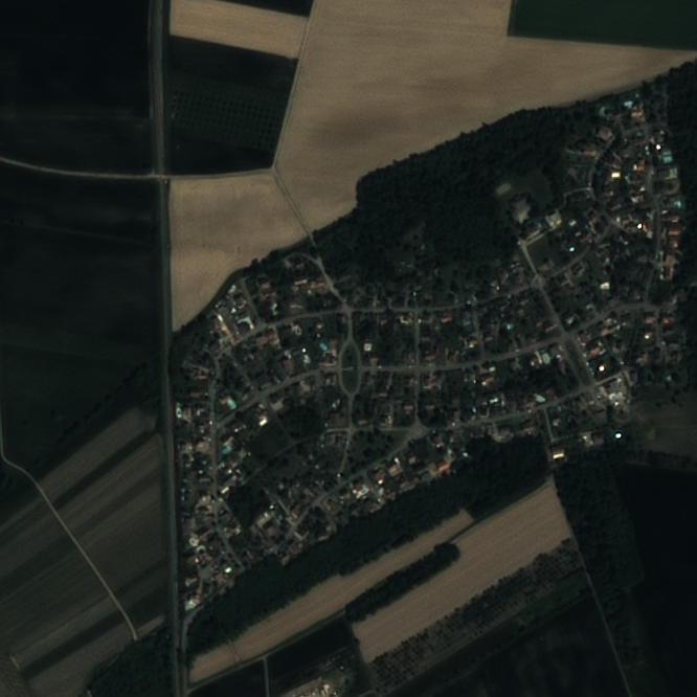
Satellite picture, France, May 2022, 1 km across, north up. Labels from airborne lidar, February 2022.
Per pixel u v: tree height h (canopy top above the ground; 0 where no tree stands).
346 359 0
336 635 0
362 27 0
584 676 0
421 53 0
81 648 0
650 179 0
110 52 0
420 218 13
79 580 0
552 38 0
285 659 0
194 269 0
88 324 0
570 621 0
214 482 0
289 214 0
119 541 0
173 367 13
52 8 0
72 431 8
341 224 11
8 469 0
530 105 0
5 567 0
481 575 0
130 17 0
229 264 0
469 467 16
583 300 0
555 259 0
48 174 0
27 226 0
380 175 14
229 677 0
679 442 0
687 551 0
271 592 0
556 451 0
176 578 0
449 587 0
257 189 0
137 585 0
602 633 0
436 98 0
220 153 0
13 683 0
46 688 0
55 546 0
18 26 0
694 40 0
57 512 0
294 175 0
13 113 0
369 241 14
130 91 0
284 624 0
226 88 0
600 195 10
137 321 0
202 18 0
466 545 0
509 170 16
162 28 0
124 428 0
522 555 0
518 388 10
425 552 0
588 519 18
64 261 0
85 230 0
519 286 0
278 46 0
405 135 0
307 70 0
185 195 0
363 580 0
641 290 12
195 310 0
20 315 0
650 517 0
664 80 16
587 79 0
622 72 0
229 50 0
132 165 0
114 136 0
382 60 0
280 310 9
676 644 0
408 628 0
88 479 0
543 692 0
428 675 0
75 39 0
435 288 6
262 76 0
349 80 0
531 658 0
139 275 0
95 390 0
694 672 0
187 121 0
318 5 0
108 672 11
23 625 0
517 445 18
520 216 0
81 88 0
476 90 0
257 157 0
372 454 14
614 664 0
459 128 0
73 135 0
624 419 0
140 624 0
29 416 0
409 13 0
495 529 0
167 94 0
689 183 14
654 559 0
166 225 0
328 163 0
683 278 7
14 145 0
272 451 0
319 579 14
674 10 0
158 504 0
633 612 0
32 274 0
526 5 0
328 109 0
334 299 16
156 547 0
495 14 0
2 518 0
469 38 0
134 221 0
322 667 0
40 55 0
